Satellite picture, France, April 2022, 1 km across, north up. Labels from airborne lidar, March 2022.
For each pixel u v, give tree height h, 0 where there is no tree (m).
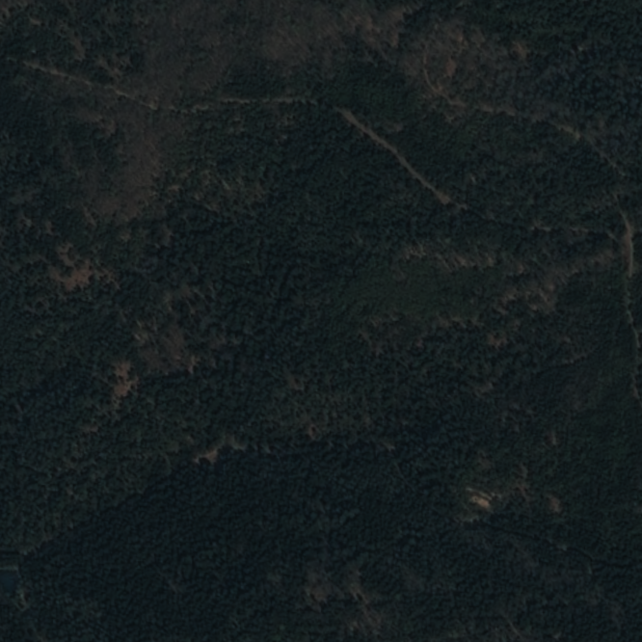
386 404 16
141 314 28
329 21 14
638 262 6
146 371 10
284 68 8
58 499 14
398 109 9
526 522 21
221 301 14
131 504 28
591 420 13
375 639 23
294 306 16
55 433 29
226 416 34
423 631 19
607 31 31
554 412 12
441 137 10
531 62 14
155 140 11
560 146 24
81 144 11
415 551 23
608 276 13
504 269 26
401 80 10
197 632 22
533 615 17
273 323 10
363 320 12
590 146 15
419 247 26
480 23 9
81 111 13
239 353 20
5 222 11
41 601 17
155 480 21
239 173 27
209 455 19
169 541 24
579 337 12
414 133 10
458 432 6
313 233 28
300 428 11
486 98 13
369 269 14
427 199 9
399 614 25
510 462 10
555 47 11
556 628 25
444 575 21
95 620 6
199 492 26
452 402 29
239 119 9
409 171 6
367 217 21
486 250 24
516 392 12
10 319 29
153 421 22
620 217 10
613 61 44
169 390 11
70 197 11
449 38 29
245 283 14
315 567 24
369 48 9
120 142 8
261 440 12
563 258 26
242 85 10
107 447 25
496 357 21
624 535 10
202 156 6
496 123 8
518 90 16
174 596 26
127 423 23
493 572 24
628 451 13
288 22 15
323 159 14
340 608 22
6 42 6
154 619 16
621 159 30
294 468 27
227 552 32
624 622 20
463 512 14
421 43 22
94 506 25
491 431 11
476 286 10
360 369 26
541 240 27
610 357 10
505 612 22
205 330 34
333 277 10
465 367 21
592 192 24
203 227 27
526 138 9
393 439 25
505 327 32
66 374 15
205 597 27
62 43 11
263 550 18
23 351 27
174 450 21
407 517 24
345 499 21
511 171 21
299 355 19
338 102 11
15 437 16
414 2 21
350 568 23
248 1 10
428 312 12
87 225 12
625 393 13
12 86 14
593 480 10
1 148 10
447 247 28
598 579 12
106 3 6
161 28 12
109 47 12
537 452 10
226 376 14
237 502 22
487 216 24
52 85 13
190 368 9
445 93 7
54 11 11
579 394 10
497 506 10
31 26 14
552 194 28
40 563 20
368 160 20
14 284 28
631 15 30
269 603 17
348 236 27
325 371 10
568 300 11
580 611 27
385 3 23
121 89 9
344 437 6
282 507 24
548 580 19
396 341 11
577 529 15
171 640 16
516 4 12
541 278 31
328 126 25
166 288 40
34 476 14
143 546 24
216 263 33
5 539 17
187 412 22
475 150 9
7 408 22
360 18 19
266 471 27
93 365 7
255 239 32
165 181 14
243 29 10
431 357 20
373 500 18
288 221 24
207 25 11
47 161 13
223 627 14
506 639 20
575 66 41
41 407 29
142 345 29
